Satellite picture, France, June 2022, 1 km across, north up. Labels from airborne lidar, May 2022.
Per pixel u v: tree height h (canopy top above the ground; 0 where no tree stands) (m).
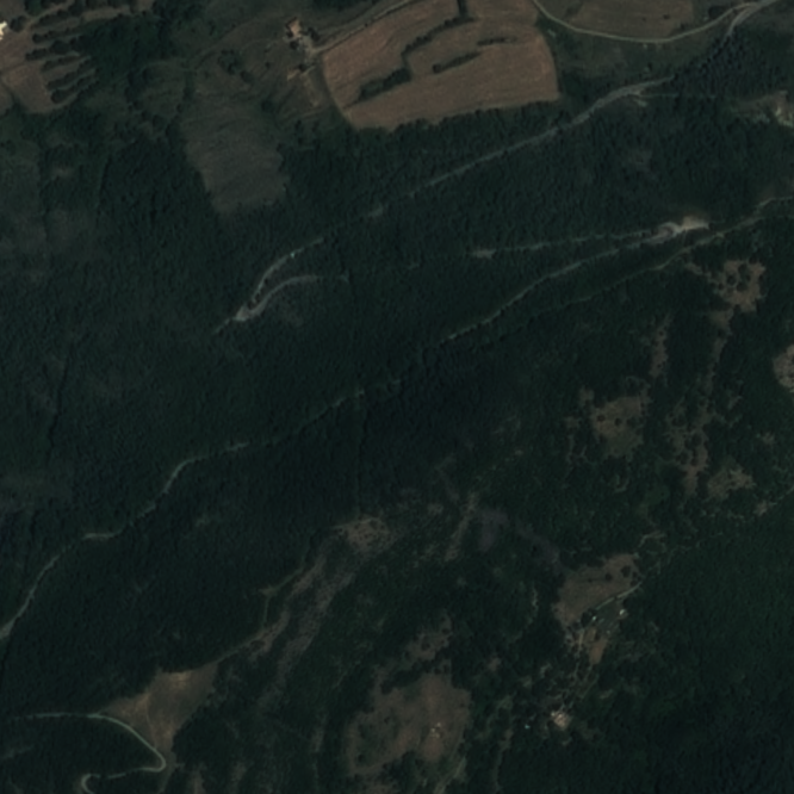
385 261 11
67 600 13
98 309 8
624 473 11
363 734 7
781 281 11
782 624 19
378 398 12
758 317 7
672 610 11
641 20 0
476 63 0
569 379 10
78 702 8
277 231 6
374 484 8
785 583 11
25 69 0
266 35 0
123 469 13
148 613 11
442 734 0
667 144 7
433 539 6
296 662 7
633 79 6
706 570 13
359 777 12
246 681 7
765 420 14
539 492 12
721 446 15
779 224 13
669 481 13
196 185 6
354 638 9
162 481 11
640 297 12
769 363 11
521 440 10
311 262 8
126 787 9
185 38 0
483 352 17
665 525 11
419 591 11
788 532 10
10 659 14
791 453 7
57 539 9
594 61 0
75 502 11
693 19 0
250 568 10
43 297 7
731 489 7
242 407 9
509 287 11
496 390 12
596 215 9
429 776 10
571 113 14
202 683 0
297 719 16
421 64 0
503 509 13
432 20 0
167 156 9
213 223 5
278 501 14
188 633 10
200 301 10
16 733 6
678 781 12
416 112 0
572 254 7
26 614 11
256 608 8
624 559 0
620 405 0
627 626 15
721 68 17
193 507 12
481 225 13
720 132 12
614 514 13
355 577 9
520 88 0
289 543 8
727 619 16
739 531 8
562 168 6
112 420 12
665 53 0
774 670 10
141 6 0
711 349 11
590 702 6
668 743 15
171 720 0
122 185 18
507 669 12
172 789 8
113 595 15
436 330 15
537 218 10
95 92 5
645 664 13
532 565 11
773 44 0
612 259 7
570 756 16
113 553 13
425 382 18
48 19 11
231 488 13
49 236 7
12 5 0
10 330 9
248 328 11
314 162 10
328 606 9
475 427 10
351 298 12
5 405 8
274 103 9
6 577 12
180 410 9
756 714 20
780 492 10
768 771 17
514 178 7
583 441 10
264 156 0
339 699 10
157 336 12
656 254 9
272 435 12
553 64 0
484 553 11
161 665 6
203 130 0
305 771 10
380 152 8
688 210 0
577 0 0
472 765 8
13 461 11
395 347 13
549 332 11
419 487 7
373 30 0
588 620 11
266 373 14
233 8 0
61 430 16
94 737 9
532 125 9
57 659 14
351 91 0
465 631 10
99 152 8
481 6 0
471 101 0
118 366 7
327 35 0
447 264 15
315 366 14
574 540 14
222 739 8
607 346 15
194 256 14
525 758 13
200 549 8
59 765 11
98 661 10
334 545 7
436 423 18
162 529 13
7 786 6
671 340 9
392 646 12
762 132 15
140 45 15
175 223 14
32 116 7
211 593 9
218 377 10
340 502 7
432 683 0
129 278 10
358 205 10
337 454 17
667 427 10
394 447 13
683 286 12
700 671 9
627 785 14
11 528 12
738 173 8
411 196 11
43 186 8
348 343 14
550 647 10
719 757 14
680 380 14
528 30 0
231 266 9
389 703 0
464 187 6
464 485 11
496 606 15
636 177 12
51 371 10
